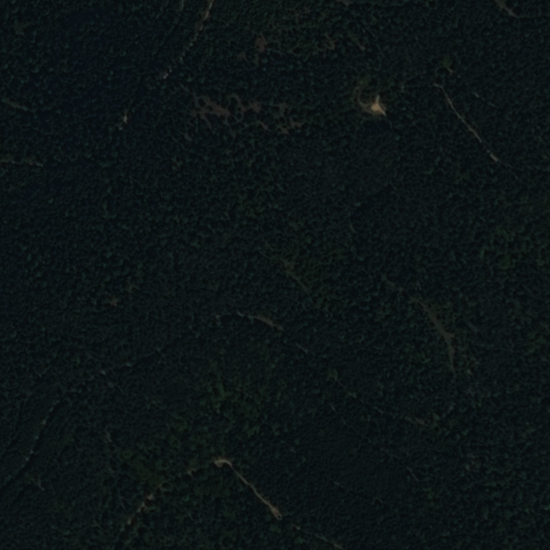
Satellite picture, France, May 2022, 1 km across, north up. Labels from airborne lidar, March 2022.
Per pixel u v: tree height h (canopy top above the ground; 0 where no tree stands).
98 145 32
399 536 25
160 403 24
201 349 29
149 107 25
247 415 21
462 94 23
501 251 29
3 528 28
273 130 14
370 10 19
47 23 25
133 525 14
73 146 29
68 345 10
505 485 25
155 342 26
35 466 17
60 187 30
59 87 38
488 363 23
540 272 31
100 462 20
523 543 23
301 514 20
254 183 18
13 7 32
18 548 26
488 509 33
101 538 25
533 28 26
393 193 27
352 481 16
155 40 12
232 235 22
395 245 25
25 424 14
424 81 24
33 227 28
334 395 19
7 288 22
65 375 15
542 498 18
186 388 25
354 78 6
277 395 21
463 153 29
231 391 16
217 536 23
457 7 22
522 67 22
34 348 18
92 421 31
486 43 30
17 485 17
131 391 28
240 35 9
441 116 21
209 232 24
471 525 19
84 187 32
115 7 12
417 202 30
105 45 28
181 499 26
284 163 33
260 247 26
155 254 30
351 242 34
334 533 6
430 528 24
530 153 23
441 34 18
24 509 24
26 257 24
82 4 10
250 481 14
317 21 11
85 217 30
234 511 23
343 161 26
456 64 32
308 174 28
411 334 13
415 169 27
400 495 19
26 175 15
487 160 30
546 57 11
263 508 25
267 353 21
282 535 27
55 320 21
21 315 24
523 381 25
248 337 26
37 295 20
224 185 11
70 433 14
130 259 34
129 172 29
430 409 12
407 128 29
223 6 8
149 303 25
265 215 12
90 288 23
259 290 17
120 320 16
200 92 32
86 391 32
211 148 12
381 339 25
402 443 24
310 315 13
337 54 12
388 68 26
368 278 29
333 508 27
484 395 23
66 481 24
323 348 22
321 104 12
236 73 20
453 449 13
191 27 11
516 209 23
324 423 20
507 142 19
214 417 24
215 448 18
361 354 25
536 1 20
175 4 11
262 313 13
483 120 21
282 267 9
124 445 26
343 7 16
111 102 23
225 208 14
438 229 28
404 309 9
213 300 27
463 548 18
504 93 26
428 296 11
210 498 16
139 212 24
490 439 26
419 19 18
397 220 26
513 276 34
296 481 22
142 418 31
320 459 19
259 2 7
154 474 18
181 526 11
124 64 27
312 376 22
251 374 15
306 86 34
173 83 14
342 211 28
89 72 30
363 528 23
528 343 28
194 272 29
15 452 18
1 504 22
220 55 19
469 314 11
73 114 30
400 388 12
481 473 14
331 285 31
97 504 19
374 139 28
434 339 33
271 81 20
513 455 33
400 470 20
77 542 10
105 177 26
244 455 22
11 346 30
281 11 9
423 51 23
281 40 7
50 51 24
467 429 12
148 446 26
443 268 34
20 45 11
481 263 22
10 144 35
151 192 17
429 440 12
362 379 27
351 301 25
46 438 17
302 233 11
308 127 13
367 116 12
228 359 26
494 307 28
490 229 24
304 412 19
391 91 18
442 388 30
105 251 30
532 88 25
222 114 0
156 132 12
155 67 26
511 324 26
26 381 31
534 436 22
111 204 33
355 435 22
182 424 23
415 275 32
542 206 16
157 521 32
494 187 30
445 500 26
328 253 11
